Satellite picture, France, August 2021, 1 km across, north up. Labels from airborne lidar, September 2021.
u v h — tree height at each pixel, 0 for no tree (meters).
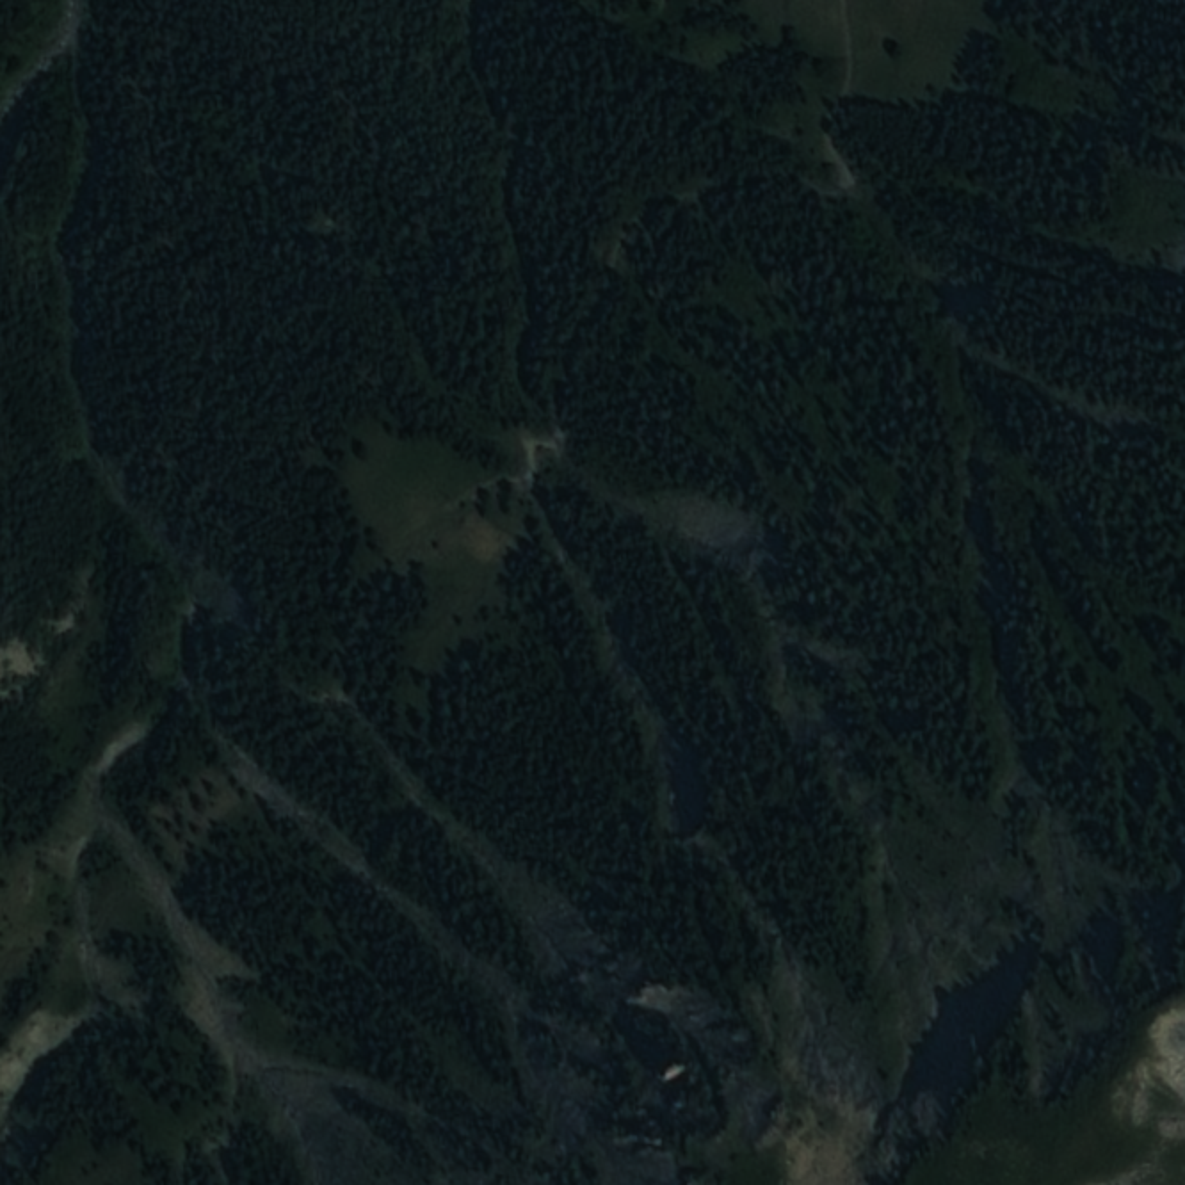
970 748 19
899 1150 0
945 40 0
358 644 13
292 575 26
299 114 25
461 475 0
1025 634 21
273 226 17
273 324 22
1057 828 0
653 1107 0
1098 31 30
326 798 17
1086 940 0
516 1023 0
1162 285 10
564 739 6
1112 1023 0
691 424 18
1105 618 26
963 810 0
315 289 23
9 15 31
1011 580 25
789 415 29
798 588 17
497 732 17
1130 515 17
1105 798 20
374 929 18
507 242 12
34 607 15
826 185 0
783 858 16
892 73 0
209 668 12
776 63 21
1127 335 10
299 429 24
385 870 12
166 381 30
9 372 23
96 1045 17
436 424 23
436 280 11
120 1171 0
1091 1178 0
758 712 10
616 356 17
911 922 0
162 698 18
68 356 10
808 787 17
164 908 0
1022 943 0
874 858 10
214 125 9
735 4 13
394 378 20
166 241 26
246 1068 0
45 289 11
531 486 0
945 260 13
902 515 8
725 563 0
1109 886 0
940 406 27
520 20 23
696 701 9
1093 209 10
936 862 0
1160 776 7
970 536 0
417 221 27
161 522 6
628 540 19
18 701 14
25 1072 0
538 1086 0
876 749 15
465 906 16
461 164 17
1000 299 26
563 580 21
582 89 21
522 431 17
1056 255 6
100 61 22
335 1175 0
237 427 28
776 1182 0
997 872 0
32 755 20
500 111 14
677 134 20
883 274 9
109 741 0
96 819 0
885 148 17
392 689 8
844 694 22
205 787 0
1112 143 16
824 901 8
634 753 18
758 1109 0
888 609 25
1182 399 25
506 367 23
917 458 29
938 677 26
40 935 0
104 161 13
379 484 0
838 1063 0
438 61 16
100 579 6
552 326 26
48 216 22
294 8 23
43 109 14
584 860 11
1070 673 22
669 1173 0
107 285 28
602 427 21
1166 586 12
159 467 21
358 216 19
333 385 29
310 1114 0
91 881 10
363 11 18
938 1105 0
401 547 0
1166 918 0
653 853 21
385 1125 15
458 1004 17
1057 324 21
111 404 20
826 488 9
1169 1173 0
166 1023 12
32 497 23
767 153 16
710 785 13
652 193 17
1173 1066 0
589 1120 0
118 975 0
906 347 11
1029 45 31
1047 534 6
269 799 0
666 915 10
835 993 0
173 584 8
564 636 18
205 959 0
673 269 20
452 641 0
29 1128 0
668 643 22
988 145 7
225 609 0
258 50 26
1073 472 28
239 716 28
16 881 0
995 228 10
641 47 11
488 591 0
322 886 6
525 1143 6
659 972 11
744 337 30
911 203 16
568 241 26
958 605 12
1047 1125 0
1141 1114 0
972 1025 0
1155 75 16
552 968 0
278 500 21
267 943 16
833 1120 0
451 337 29
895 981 0
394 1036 14
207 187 13
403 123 11
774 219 16
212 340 23
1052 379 14
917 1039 0
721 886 14
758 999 0
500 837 22
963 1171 0
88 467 14
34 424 15
